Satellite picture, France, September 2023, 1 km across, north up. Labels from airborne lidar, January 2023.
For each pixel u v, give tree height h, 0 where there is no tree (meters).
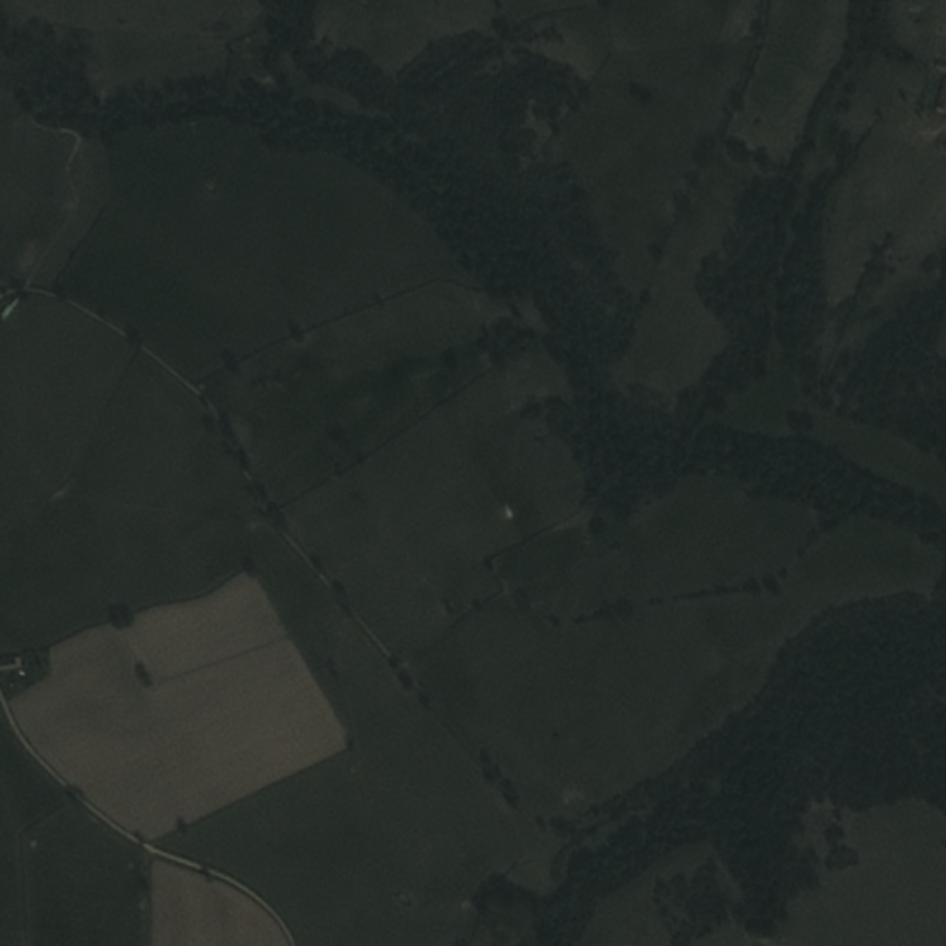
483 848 0
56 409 0
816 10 0
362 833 0
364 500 0
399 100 11
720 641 0
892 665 16
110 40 0
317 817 0
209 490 0
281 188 0
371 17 0
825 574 0
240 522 0
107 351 0
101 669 0
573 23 0
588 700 0
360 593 0
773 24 0
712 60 0
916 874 0
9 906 0
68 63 15
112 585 0
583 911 7
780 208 20
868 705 17
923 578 0
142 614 0
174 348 0
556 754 0
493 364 10
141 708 0
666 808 21
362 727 0
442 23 0
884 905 0
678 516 0
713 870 9
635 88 7
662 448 18
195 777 0
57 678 0
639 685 0
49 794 0
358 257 0
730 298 15
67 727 0
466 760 0
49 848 0
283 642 0
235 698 0
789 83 0
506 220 11
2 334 0
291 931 0
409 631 0
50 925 0
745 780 19
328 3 0
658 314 0
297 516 0
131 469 0
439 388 0
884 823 0
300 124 18
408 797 0
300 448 0
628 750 0
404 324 0
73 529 0
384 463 0
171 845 0
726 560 0
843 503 22
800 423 13
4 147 0
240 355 0
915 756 16
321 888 0
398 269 0
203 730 0
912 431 16
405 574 0
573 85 8
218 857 0
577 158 0
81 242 0
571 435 14
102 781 0
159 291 0
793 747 16
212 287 0
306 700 0
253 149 0
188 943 0
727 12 0
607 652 0
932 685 11
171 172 0
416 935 0
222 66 0
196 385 0
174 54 0
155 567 0
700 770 14
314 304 0
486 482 0
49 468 0
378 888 0
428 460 0
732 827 16
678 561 0
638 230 0
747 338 19
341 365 0
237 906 0
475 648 0
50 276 0
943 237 0
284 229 0
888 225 0
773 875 15
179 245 0
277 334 0
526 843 0
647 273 0
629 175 0
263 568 0
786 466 24
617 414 16
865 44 13
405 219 0
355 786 0
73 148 0
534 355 0
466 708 0
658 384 0
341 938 0
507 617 0
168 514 0
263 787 0
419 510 0
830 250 0
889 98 0
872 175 0
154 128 11
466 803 0
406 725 0
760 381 0
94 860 0
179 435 0
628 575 0
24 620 0
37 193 0
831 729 10
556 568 0
